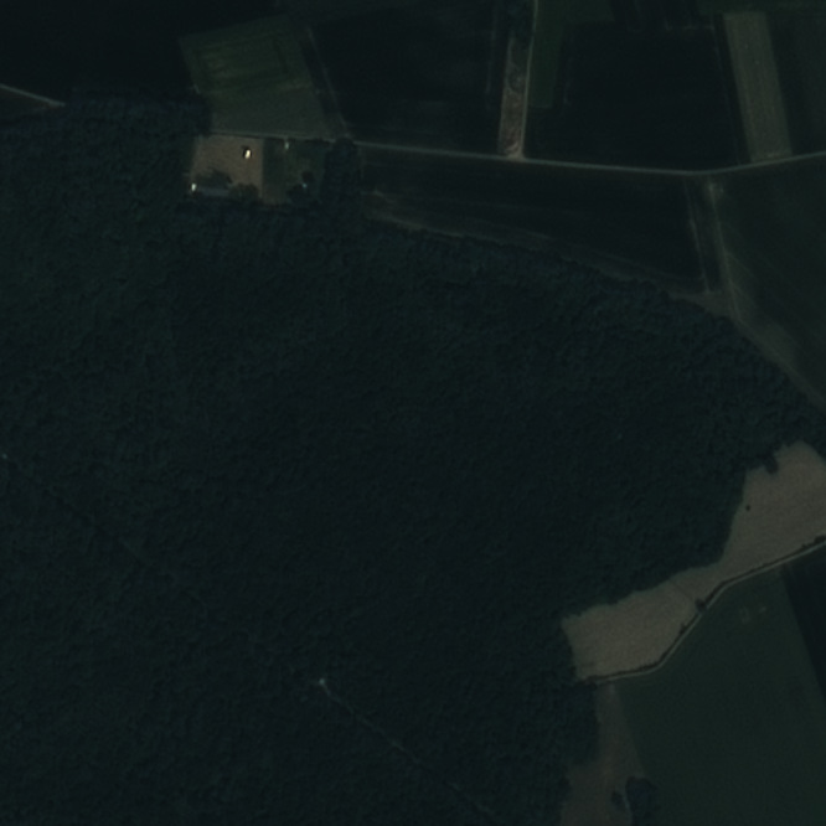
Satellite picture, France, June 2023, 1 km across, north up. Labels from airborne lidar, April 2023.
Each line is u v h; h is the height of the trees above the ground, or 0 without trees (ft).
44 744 72
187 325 88
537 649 79
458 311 87
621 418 78
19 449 76
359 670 75
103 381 68
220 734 88
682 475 77
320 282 95
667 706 0
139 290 85
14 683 73
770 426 74
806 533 0
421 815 85
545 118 0
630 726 0
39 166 76
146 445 84
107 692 80
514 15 52
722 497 59
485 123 0
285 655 72
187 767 84
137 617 71
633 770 0
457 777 89
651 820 64
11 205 64
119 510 73
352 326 91
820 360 0
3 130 47
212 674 75
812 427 50
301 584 64
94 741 66
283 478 72
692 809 0
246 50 0
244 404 72
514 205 0
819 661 0
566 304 84
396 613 72
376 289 86
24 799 56
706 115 0
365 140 0
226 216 73
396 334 89
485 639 65
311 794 92
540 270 79
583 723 83
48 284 73
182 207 74
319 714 70
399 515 61
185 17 0
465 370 77
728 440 75
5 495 63
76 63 0
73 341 63
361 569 73
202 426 42
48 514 76
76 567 75
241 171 0
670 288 0
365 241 86
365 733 82
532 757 75
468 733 82
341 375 78
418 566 64
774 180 0
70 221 78
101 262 80
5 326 79
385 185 0
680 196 0
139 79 0
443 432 72
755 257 0
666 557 76
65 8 0
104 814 82
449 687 78
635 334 85
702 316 79
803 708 0
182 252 81
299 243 77
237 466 46
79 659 82
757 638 0
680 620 0
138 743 76
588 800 0
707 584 0
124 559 69
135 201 97
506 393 68
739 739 0
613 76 0
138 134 79
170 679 84
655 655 0
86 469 69
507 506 76
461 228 0
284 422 75
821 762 0
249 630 77
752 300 0
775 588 0
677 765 0
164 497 58
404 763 76
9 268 74
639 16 0
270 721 70
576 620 0
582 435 75
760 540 0
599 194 0
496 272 78
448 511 73
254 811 60
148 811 73
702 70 0
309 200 23
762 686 0
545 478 77
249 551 84
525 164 0
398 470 80
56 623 77
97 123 75
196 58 0
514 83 0
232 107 0
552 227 0
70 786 70
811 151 0
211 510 77
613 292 76
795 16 0
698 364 81
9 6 0
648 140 0
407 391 73
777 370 63
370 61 0
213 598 90
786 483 0
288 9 0
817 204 0
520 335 66
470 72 0
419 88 0
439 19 0
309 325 75
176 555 46
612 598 54
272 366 65
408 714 73
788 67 0
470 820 82
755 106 0
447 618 74
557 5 0
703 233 0
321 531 77
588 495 80
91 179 74
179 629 67
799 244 0
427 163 0
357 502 70
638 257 0
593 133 0
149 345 78
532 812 82
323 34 0
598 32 0
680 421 85
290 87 0
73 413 75
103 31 0
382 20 0
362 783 85
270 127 0
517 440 71
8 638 78
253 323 87
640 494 73
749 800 0
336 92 0
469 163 0
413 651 84
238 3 0
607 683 0
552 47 0
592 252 0
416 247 89
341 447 78
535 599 83
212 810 63
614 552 55
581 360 72
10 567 86
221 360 58
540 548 79
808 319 0
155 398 48
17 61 0
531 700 74
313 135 0
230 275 85
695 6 0
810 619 0
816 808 0
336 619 75
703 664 0
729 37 0
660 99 0
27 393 59
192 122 68
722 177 0
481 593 79
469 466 79
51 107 0
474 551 59
